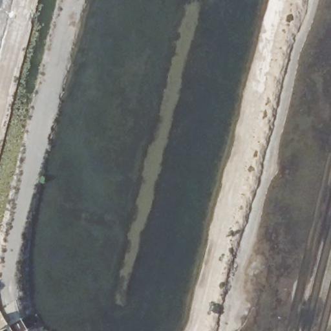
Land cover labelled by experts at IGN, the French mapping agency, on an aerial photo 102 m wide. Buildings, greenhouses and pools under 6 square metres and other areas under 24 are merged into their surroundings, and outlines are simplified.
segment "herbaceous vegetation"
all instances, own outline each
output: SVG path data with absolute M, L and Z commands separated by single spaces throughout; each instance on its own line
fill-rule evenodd
M 39 22 L 35 13 L 31 18 L 30 35 L 16 79 L 16 91 L 10 103 L 9 119 L 0 147 L 0 228 L 9 191 L 14 190 L 14 185 L 10 182 L 16 171 L 19 144 L 28 132 L 27 120 L 32 118 L 28 105 L 32 101 L 32 94 L 26 92 L 25 88 L 32 50 L 39 35 Z

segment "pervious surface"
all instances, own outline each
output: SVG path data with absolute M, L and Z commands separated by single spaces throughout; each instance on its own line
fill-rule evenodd
M 233 149 L 222 176 L 219 199 L 209 226 L 206 252 L 195 286 L 189 322 L 186 325 L 187 331 L 331 331 L 331 0 L 269 0 L 262 21 L 259 45 L 243 92 Z
M 80 14 L 85 0 L 56 0 L 32 94 L 32 101 L 28 105 L 32 118 L 27 120 L 28 132 L 19 144 L 16 171 L 10 182 L 14 185 L 14 190 L 9 191 L 0 228 L 0 291 L 6 312 L 13 313 L 18 310 L 18 297 L 22 292 L 18 290 L 16 272 L 22 233 L 26 226 L 35 185 L 39 180 L 45 151 L 49 147 L 48 136 L 58 112 L 63 79 L 71 66 L 71 48 L 78 35 Z
M 0 0 L 0 147 L 9 119 L 10 103 L 16 91 L 16 79 L 30 35 L 31 18 L 35 13 L 37 0 Z

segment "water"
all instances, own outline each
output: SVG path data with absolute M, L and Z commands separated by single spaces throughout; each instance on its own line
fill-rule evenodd
M 18 310 L 26 326 L 32 326 L 35 331 L 187 331 L 186 325 L 189 322 L 195 286 L 206 252 L 209 226 L 219 199 L 222 176 L 233 149 L 243 92 L 259 45 L 262 21 L 269 0 L 85 0 L 80 14 L 78 35 L 71 48 L 71 66 L 63 79 L 58 112 L 48 136 L 49 147 L 45 151 L 39 180 L 35 185 L 26 226 L 22 233 L 16 272 L 18 290 L 22 292 L 18 297 Z
M 26 92 L 32 94 L 56 0 L 37 0 L 35 13 L 39 22 L 39 35 L 32 50 L 25 88 Z

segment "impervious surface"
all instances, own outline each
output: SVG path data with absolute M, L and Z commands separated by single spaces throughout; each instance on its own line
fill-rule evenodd
M 26 326 L 18 310 L 13 313 L 6 312 L 0 291 L 0 331 L 35 331 L 32 326 Z

